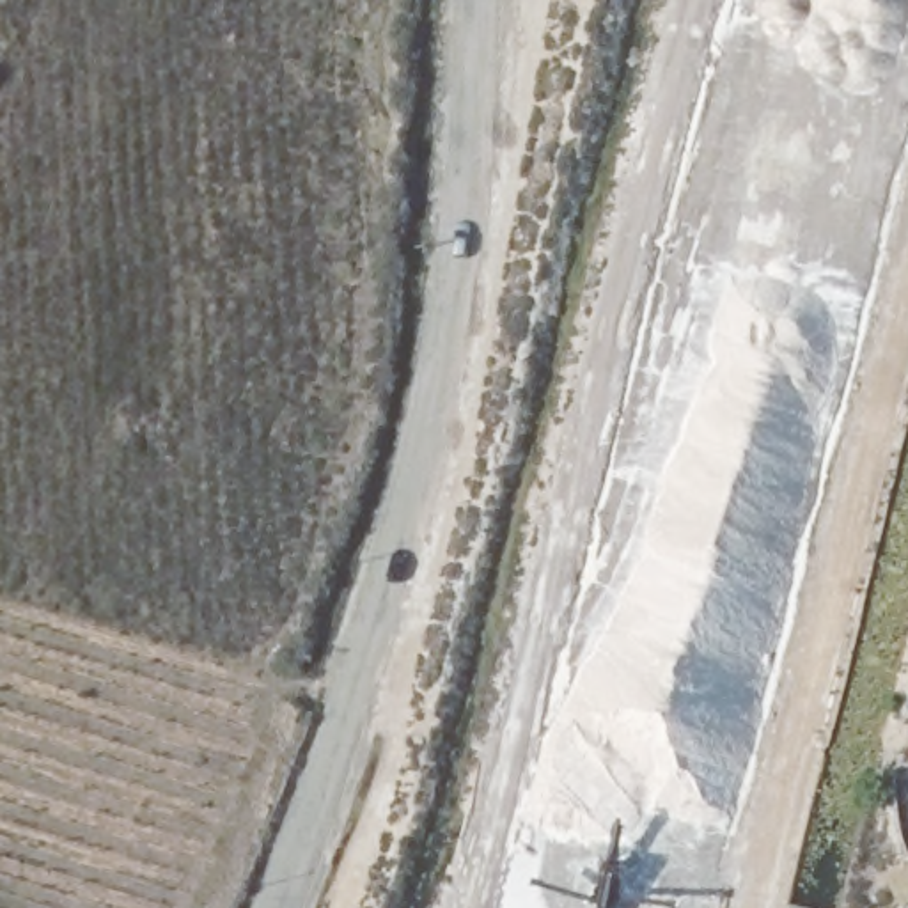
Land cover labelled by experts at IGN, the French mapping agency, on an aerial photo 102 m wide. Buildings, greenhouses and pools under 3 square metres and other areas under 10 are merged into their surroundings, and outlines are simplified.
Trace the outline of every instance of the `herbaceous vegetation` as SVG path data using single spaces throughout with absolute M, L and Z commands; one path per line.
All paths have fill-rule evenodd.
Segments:
M 564 341 L 560 333 L 575 319 L 578 298 L 585 291 L 585 255 L 596 245 L 592 227 L 603 223 L 607 199 L 614 192 L 614 163 L 621 153 L 621 138 L 628 135 L 631 89 L 642 71 L 642 50 L 656 43 L 649 14 L 660 11 L 660 0 L 596 0 L 589 18 L 589 43 L 575 46 L 575 57 L 582 57 L 589 74 L 589 92 L 575 99 L 571 114 L 571 124 L 575 131 L 582 131 L 582 138 L 568 142 L 560 163 L 564 181 L 557 195 L 557 216 L 546 234 L 550 255 L 539 262 L 539 277 L 546 284 L 546 294 L 557 298 L 557 309 L 550 319 L 528 323 L 532 298 L 507 298 L 500 291 L 500 337 L 493 348 L 514 355 L 521 341 L 532 344 L 528 376 L 521 387 L 518 440 L 507 454 L 507 465 L 500 468 L 500 497 L 493 497 L 489 543 L 479 560 L 479 578 L 468 589 L 465 617 L 458 624 L 454 681 L 436 706 L 440 724 L 429 734 L 433 766 L 419 780 L 419 823 L 404 837 L 397 890 L 383 908 L 440 908 L 436 890 L 447 880 L 447 865 L 454 858 L 454 844 L 461 834 L 458 784 L 475 763 L 468 741 L 486 734 L 486 716 L 497 702 L 493 674 L 500 667 L 504 649 L 511 646 L 511 624 L 518 617 L 514 592 L 521 578 L 521 528 L 528 518 L 521 486 L 543 458 L 543 422 L 546 408 L 557 397 L 553 387 L 557 355 Z
M 887 493 L 883 528 L 873 550 L 873 571 L 865 582 L 844 688 L 837 699 L 830 741 L 823 748 L 823 766 L 798 851 L 805 865 L 816 865 L 816 858 L 830 844 L 841 848 L 837 908 L 897 908 L 890 890 L 880 894 L 869 887 L 869 869 L 894 865 L 887 834 L 876 834 L 876 812 L 894 802 L 883 791 L 883 770 L 890 766 L 880 759 L 880 748 L 887 716 L 897 713 L 897 670 L 908 638 L 908 422 Z

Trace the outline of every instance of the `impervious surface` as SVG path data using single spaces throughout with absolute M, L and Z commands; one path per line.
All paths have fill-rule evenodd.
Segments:
M 908 795 L 894 802 L 876 812 L 876 834 L 887 834 L 894 865 L 869 869 L 869 887 L 880 894 L 890 890 L 897 908 L 908 908 Z

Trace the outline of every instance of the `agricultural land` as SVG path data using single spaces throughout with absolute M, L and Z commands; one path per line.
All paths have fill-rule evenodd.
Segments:
M 0 908 L 259 908 L 255 897 L 262 890 L 262 876 L 270 869 L 277 837 L 284 830 L 287 809 L 294 802 L 298 780 L 309 766 L 309 752 L 323 724 L 326 681 L 319 674 L 341 624 L 348 589 L 358 571 L 362 543 L 372 532 L 376 507 L 387 489 L 404 397 L 411 387 L 415 341 L 422 319 L 422 277 L 426 255 L 433 252 L 433 234 L 426 231 L 426 220 L 440 0 L 0 0 Z

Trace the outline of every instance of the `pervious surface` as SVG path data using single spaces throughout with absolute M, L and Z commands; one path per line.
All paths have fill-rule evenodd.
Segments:
M 649 14 L 656 43 L 642 50 L 642 71 L 631 89 L 628 135 L 621 138 L 621 153 L 614 163 L 614 192 L 607 199 L 603 223 L 592 227 L 596 245 L 585 255 L 585 291 L 578 298 L 575 319 L 560 333 L 564 341 L 557 355 L 553 387 L 557 397 L 546 408 L 543 422 L 543 458 L 521 486 L 528 518 L 521 528 L 521 578 L 514 592 L 518 617 L 511 624 L 511 646 L 504 649 L 500 667 L 493 674 L 497 702 L 486 716 L 486 734 L 468 741 L 475 763 L 458 784 L 461 834 L 454 844 L 454 858 L 447 865 L 447 880 L 436 890 L 440 908 L 837 908 L 841 848 L 830 844 L 816 858 L 816 865 L 805 865 L 798 851 L 823 766 L 823 748 L 830 741 L 837 699 L 844 688 L 865 582 L 873 571 L 873 550 L 883 528 L 887 493 L 908 422 L 908 0 L 660 0 L 660 11 Z
M 287 809 L 284 830 L 277 837 L 270 869 L 262 876 L 262 890 L 255 897 L 259 908 L 383 908 L 397 890 L 404 837 L 419 823 L 419 780 L 433 766 L 429 734 L 440 724 L 436 706 L 454 681 L 458 624 L 465 617 L 468 589 L 479 578 L 479 560 L 489 543 L 493 497 L 500 497 L 500 468 L 507 465 L 507 454 L 518 440 L 521 387 L 528 376 L 532 344 L 521 341 L 514 355 L 493 348 L 500 337 L 500 291 L 507 298 L 532 298 L 528 323 L 550 319 L 557 309 L 557 298 L 546 294 L 546 284 L 539 277 L 539 262 L 550 255 L 546 234 L 557 216 L 557 195 L 564 181 L 560 163 L 568 142 L 582 138 L 582 131 L 575 131 L 571 124 L 571 114 L 575 99 L 589 92 L 589 74 L 582 57 L 575 57 L 575 46 L 589 43 L 589 18 L 596 0 L 440 0 L 426 220 L 426 231 L 433 234 L 433 252 L 426 255 L 422 277 L 422 319 L 415 341 L 411 387 L 404 397 L 387 489 L 376 507 L 372 532 L 362 543 L 358 571 L 348 589 L 341 624 L 319 674 L 326 681 L 323 724 L 309 752 L 309 766 L 298 780 L 294 802 Z
M 908 795 L 908 638 L 897 670 L 897 713 L 887 716 L 880 748 L 880 759 L 890 766 L 883 770 L 883 791 L 894 802 Z

